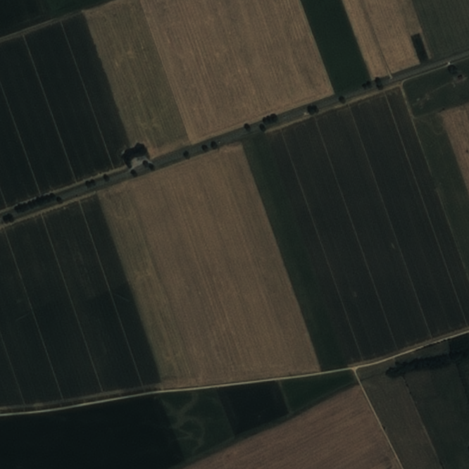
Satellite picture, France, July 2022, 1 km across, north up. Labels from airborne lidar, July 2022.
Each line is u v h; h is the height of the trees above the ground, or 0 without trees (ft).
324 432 0
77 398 0
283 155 0
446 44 0
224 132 0
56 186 0
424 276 0
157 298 0
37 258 0
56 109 0
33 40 0
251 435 0
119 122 0
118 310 0
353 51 0
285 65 0
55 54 0
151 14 0
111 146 0
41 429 0
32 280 0
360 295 0
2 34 0
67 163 0
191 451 0
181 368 0
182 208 0
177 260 0
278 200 0
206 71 0
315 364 0
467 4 0
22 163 0
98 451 0
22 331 0
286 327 0
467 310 0
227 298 0
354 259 0
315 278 0
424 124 0
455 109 0
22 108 0
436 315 0
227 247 0
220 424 0
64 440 0
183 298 0
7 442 0
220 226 0
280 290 0
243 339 0
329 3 0
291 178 0
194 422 0
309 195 0
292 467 0
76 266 0
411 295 0
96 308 0
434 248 0
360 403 0
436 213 0
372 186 0
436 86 0
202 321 0
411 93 0
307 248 0
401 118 0
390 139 0
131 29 0
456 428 0
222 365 0
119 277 0
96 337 0
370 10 0
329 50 0
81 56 0
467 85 0
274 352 0
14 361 0
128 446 0
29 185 0
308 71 0
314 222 0
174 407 0
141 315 0
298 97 0
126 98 0
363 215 0
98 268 0
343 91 0
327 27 0
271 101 0
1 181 0
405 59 0
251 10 0
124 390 0
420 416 0
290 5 0
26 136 0
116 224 0
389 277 0
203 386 0
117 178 0
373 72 0
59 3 0
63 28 0
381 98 0
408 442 0
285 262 0
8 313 0
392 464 0
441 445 0
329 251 0
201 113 0
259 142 0
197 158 0
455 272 0
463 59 0
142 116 0
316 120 0
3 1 0
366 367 0
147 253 0
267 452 0
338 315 0
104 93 0
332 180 0
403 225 0
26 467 0
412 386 0
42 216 0
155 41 0
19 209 43
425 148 0
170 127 0
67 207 0
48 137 0
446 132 0
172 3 0
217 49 0
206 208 0
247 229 0
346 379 0
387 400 0
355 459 0
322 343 0
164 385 0
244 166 0
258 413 0
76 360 0
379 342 0
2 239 0
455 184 0
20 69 0
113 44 0
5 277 0
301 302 0
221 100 0
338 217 0
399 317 0
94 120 0
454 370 0
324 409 0
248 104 0
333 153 0
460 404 0
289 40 0
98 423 0
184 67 0
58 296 0
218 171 0
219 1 0
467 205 0
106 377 0
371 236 0
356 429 0
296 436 0
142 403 0
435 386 0
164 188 0
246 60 0
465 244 0
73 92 0
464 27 0
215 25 0
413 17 0
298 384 0
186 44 0
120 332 0
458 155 0
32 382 0
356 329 0
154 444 0
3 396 0
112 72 0
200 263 0
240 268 0
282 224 0
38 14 0
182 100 0
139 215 0
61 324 0
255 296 0
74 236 0
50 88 0
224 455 0
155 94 0
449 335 0
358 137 0
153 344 0
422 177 0
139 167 0
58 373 0
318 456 0
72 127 0
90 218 0
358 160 0
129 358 0
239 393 0
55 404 0
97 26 0
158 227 0
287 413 0
